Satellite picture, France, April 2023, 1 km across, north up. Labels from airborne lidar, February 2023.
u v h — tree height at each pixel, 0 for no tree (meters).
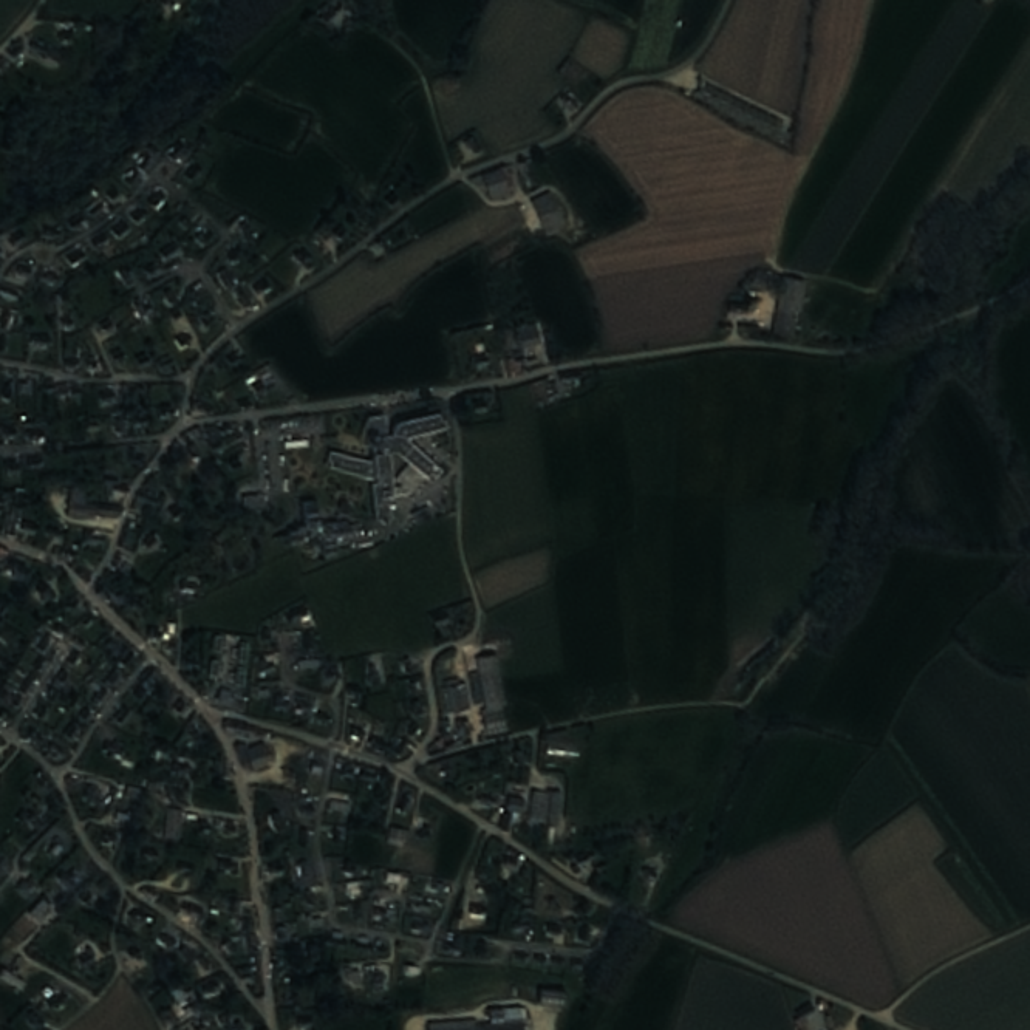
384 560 0
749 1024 0
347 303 0
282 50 0
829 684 0
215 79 20
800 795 0
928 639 0
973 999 0
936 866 0
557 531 0
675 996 0
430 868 0
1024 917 0
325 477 0
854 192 0
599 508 0
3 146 11
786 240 0
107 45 15
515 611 0
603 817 0
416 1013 8
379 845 0
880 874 0
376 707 0
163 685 8
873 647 0
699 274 0
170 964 11
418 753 0
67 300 15
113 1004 0
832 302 0
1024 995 0
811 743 0
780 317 0
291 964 13
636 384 0
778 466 0
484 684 0
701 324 0
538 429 0
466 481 0
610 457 0
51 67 0
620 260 0
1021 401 0
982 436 0
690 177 0
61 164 7
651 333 0
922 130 0
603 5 0
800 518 0
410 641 0
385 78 0
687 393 0
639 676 0
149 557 0
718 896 0
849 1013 0
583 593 0
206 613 0
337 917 0
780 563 0
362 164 0
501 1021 0
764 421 0
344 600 0
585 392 0
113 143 10
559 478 0
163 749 7
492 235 0
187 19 6
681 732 0
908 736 0
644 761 0
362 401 0
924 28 0
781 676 0
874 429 0
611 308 0
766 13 0
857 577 14
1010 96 0
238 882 0
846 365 11
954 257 23
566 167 0
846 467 0
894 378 0
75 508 0
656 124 0
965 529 0
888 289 0
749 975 0
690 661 0
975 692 0
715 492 0
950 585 0
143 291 0
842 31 0
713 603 0
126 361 0
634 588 0
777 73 0
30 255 0
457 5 0
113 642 0
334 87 0
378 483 0
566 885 0
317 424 0
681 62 0
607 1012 0
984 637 0
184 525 9
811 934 0
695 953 0
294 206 0
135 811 14
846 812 0
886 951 0
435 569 0
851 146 0
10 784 0
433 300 0
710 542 0
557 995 0
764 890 0
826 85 0
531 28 0
